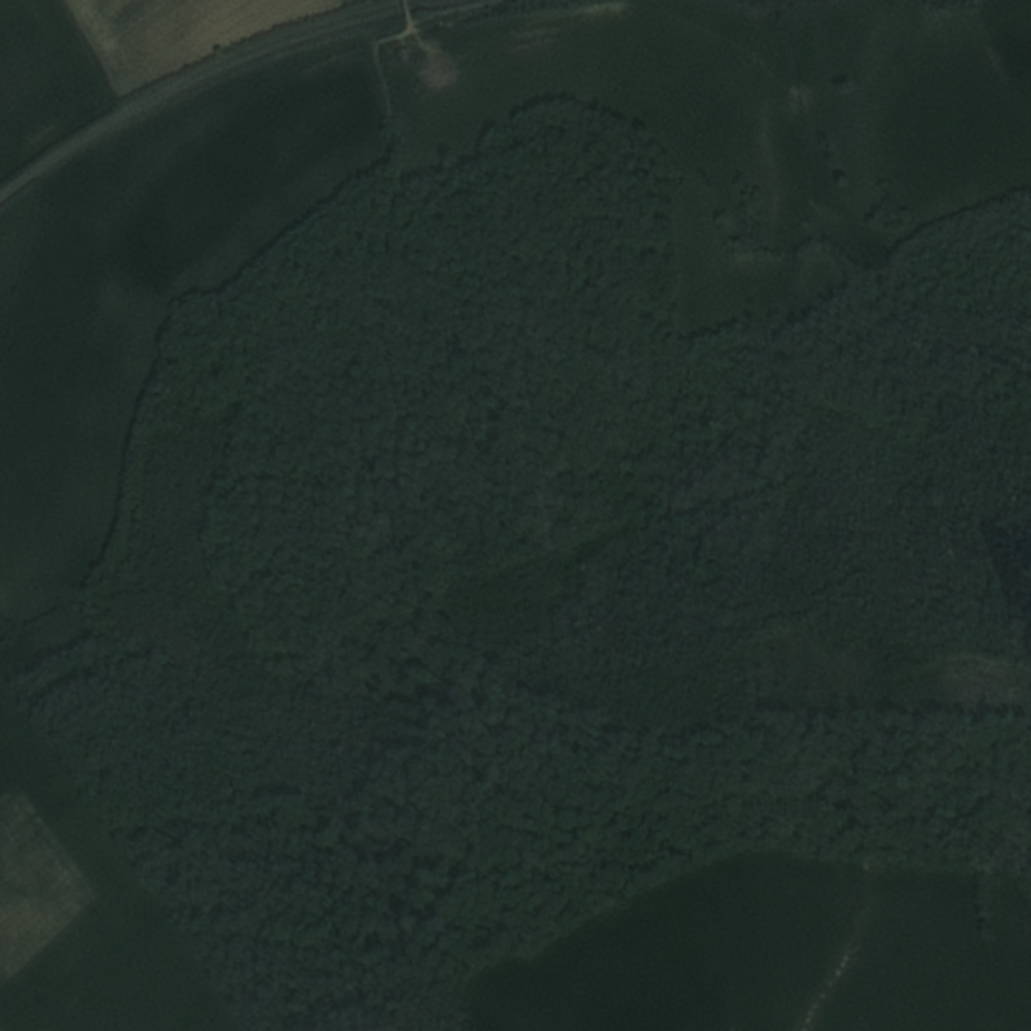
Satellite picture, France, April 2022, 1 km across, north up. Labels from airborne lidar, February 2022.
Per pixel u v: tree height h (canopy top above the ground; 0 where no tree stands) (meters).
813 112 0
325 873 21
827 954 0
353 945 19
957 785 29
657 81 0
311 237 19
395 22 0
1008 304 13
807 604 8
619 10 0
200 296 14
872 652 0
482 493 29
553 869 28
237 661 12
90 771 25
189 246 0
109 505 0
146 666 23
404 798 25
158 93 0
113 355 0
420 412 28
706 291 0
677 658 13
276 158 0
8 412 0
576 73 0
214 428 7
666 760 18
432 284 24
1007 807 27
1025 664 11
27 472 0
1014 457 19
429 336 22
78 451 0
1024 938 0
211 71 0
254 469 24
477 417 28
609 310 26
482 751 29
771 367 29
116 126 0
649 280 20
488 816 26
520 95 0
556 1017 0
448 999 29
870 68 0
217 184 0
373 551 24
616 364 26
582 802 28
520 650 17
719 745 21
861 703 0
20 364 0
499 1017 0
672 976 0
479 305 22
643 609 23
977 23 0
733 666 9
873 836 28
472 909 24
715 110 0
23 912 0
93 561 0
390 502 27
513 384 28
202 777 27
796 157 0
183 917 18
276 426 22
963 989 0
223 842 31
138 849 24
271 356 23
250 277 13
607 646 20
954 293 16
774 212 0
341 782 17
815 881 0
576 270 26
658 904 0
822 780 28
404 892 24
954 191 0
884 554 12
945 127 0
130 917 0
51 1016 0
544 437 30
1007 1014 0
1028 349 26
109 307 0
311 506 24
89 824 0
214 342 20
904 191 0
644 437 23
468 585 15
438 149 0
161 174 0
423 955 27
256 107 0
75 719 23
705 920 0
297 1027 13
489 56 0
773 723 25
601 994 0
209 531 21
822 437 15
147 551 11
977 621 14
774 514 19
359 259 21
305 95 0
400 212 20
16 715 0
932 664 10
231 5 0
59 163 0
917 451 11
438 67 0
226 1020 0
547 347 24
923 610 17
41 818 0
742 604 10
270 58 0
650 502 15
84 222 0
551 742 28
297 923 27
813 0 16
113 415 0
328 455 23
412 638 28
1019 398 20
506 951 31
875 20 0
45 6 0
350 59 0
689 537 30
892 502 13
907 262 15
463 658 28
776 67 0
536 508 29
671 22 0
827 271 0
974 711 0
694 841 25
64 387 0
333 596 24
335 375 23
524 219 23
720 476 27
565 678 13
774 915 0
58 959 0
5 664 0
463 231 20
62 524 0
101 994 0
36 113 0
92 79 0
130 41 0
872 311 25
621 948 0
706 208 0
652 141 20
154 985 0
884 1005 0
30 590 0
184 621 13
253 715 12
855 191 12
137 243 0
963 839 29
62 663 15
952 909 0
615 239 28
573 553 29
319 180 0
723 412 30
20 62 0
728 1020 0
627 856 24
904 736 20
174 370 20
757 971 0
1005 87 0
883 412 25
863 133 0
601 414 27
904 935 0
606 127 22
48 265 0
